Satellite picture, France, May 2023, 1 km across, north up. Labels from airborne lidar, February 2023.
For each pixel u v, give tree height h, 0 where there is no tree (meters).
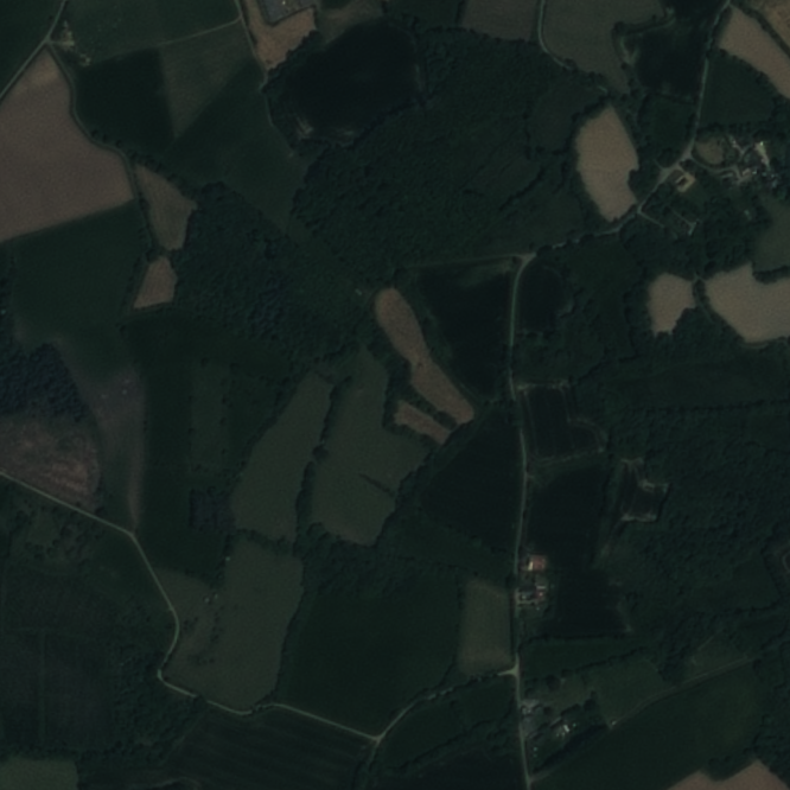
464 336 0
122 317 0
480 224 16
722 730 0
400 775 12
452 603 0
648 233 9
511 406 17
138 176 0
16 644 0
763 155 0
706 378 0
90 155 0
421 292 0
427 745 0
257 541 8
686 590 10
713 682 0
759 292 0
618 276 0
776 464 15
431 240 16
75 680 0
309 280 15
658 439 16
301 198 15
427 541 0
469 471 0
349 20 0
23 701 0
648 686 0
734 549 10
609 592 0
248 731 0
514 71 16
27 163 0
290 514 0
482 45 16
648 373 12
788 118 17
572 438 0
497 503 0
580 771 0
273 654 0
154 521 0
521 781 0
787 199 10
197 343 0
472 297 0
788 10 0
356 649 0
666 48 0
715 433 11
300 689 0
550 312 0
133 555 0
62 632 0
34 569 0
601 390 8
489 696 0
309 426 0
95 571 0
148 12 0
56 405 15
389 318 0
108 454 0
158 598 0
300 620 8
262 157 0
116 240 0
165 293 0
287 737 0
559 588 0
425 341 8
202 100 0
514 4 0
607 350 8
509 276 0
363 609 0
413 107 23
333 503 0
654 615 0
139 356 0
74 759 13
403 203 16
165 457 0
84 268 0
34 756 7
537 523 0
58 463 21
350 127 0
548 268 0
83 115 0
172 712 11
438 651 0
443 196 17
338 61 0
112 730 0
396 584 9
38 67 0
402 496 8
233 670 0
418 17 0
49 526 0
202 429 0
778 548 10
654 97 7
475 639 0
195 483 0
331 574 10
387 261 15
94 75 0
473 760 0
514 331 0
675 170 0
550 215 0
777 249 0
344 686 0
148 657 11
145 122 0
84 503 14
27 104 0
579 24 0
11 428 24
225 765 0
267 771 0
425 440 12
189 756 0
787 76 0
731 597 0
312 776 0
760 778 0
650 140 8
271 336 8
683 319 11
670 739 0
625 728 0
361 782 10
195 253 20
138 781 0
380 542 9
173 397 0
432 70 11
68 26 0
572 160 14
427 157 20
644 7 0
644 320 8
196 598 0
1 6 0
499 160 0
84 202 0
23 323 0
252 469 0
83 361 0
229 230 20
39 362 15
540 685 8
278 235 16
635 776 0
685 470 14
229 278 13
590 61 0
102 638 0
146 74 0
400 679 0
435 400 0
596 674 7
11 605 0
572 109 0
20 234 0
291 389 8
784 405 10
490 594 0
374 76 0
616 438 8
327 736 0
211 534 11
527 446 0
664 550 15
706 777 0
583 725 0
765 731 10
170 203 0
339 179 18
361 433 0
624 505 0
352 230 18
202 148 0
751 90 0
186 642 0
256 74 0
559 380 0
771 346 8
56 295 0
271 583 0
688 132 12
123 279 0
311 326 12
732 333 11
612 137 0
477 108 16
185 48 0
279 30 0
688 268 10
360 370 0
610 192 0
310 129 0
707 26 0
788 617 9
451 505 0
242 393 0
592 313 15
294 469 0
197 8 0
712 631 8
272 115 10
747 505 13
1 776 0
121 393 0
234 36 0
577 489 0
